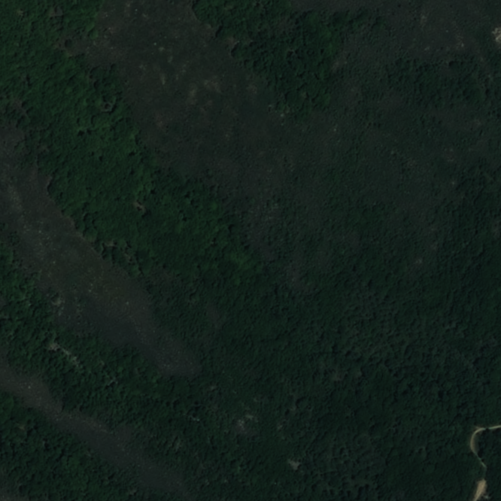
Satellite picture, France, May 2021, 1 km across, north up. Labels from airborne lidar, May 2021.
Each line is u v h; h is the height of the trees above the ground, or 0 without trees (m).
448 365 17
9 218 0
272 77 21
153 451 7
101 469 24
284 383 12
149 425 12
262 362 10
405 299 10
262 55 20
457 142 6
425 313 16
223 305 13
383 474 15
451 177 10
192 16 0
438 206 7
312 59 26
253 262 30
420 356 29
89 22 15
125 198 27
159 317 7
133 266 26
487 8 7
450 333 19
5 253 20
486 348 20
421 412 21
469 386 12
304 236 6
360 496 14
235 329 12
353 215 8
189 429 20
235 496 8
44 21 12
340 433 22
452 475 12
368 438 19
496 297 19
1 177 0
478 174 6
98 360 12
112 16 0
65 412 7
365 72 6
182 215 26
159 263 16
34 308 17
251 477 25
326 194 9
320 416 14
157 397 30
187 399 10
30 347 31
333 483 26
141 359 21
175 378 17
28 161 7
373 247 10
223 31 20
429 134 9
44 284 0
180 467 8
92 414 7
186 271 28
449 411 22
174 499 9
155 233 31
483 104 8
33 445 30
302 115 19
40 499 6
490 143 11
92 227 27
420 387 14
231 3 22
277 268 8
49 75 24
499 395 21
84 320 7
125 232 30
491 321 20
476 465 22
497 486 13
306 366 17
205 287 10
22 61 18
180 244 32
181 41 0
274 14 18
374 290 19
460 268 17
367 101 8
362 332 13
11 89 22
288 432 9
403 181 6
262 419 9
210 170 10
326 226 11
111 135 26
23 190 0
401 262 12
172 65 0
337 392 19
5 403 26
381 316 24
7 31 14
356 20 18
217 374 9
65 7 15
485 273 13
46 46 19
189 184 18
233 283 14
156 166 8
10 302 16
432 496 7
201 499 9
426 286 13
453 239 7
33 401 0
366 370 30
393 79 14
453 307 12
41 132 12
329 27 24
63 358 11
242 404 10
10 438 31
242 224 7
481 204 11
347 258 7
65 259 0
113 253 23
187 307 10
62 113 31
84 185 33
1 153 0
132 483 7
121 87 10
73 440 16
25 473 23
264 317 19
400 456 18
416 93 7
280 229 9
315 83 32
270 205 12
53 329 15
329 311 17
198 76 0
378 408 25
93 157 28
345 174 8
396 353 13
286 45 22
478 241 16
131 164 19
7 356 7
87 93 24
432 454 22
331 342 21
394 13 7
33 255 0
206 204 30
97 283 0
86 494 11
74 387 17
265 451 13
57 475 28
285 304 17
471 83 20
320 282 12
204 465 8
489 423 17
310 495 17
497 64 13
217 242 27
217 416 9
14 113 11
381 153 6
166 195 25
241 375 8
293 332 15
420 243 9
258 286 28
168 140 6
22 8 21
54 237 0
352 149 11
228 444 15
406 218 11
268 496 12
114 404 10
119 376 23
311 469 25
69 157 22
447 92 7
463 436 17
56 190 25
